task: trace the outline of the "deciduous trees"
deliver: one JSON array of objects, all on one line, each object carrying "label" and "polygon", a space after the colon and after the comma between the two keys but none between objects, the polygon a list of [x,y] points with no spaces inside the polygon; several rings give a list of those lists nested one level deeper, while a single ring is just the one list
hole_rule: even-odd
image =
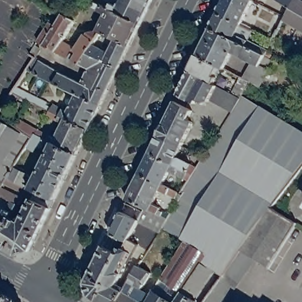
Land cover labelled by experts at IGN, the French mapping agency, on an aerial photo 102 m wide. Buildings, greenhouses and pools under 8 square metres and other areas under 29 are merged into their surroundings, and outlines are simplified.
[{"label": "deciduous trees", "polygon": [[195,156],[193,162],[205,162],[210,157],[210,147],[216,144],[218,138],[215,132],[202,130],[202,138],[199,139],[202,142],[201,147],[196,147],[192,142],[188,143],[182,146],[186,156]]},{"label": "deciduous trees", "polygon": [[122,189],[127,177],[117,166],[111,166],[103,172],[104,188]]},{"label": "deciduous trees", "polygon": [[193,28],[190,21],[185,20],[172,24],[172,39],[177,45],[190,45],[197,37],[197,29]]},{"label": "deciduous trees", "polygon": [[296,54],[288,60],[277,58],[277,53],[284,53],[290,47],[289,44],[283,44],[282,40],[267,38],[261,33],[250,31],[252,44],[268,47],[269,59],[269,63],[273,65],[262,71],[268,80],[267,83],[260,87],[248,84],[243,97],[287,124],[302,123],[302,55]]},{"label": "deciduous trees", "polygon": [[0,109],[0,123],[8,127],[22,122],[31,103],[24,99],[17,99],[18,103],[8,104]]},{"label": "deciduous trees", "polygon": [[28,0],[42,14],[41,21],[50,22],[51,14],[57,15],[73,20],[80,11],[92,11],[93,0]]},{"label": "deciduous trees", "polygon": [[80,287],[80,277],[77,271],[58,274],[59,295],[71,302],[79,302],[83,290]]},{"label": "deciduous trees", "polygon": [[147,78],[147,81],[150,93],[163,97],[171,91],[172,75],[159,68]]},{"label": "deciduous trees", "polygon": [[139,45],[145,51],[155,51],[158,45],[157,35],[143,34],[139,37]]},{"label": "deciduous trees", "polygon": [[91,124],[83,136],[84,147],[87,151],[92,151],[93,155],[98,155],[106,150],[109,143],[109,133]]},{"label": "deciduous trees", "polygon": [[131,146],[139,147],[146,142],[147,132],[144,127],[131,123],[124,130],[124,138]]},{"label": "deciduous trees", "polygon": [[116,90],[127,98],[131,98],[139,87],[139,78],[134,75],[126,71],[120,75],[116,74],[114,84]]}]

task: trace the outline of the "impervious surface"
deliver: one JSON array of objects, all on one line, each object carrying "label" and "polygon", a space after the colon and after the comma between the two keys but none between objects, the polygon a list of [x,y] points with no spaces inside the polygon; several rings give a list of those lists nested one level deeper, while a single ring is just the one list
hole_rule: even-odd
[{"label": "impervious surface", "polygon": [[189,183],[192,175],[188,173],[188,168],[183,168],[182,171],[175,170],[169,173],[165,180]]},{"label": "impervious surface", "polygon": [[[110,238],[107,237],[107,226],[112,224],[114,214],[122,211],[124,191],[138,168],[147,145],[151,142],[153,131],[156,130],[169,101],[175,101],[191,111],[192,130],[186,138],[188,143],[192,142],[196,147],[201,147],[202,142],[199,139],[202,138],[202,130],[215,132],[218,138],[221,137],[219,132],[229,119],[230,113],[211,101],[206,106],[201,106],[193,100],[188,104],[185,100],[173,96],[173,91],[218,0],[152,0],[143,24],[138,29],[138,35],[132,41],[125,61],[120,64],[116,74],[120,75],[126,71],[134,75],[139,78],[139,87],[131,98],[127,98],[116,90],[114,84],[91,124],[109,133],[109,143],[106,150],[98,155],[93,155],[92,151],[87,151],[84,147],[75,158],[50,214],[29,250],[31,256],[25,256],[24,252],[14,255],[12,248],[0,247],[0,302],[71,302],[59,295],[58,274],[77,271],[80,277],[83,276],[94,250],[103,247]],[[177,45],[172,39],[172,24],[185,20],[190,21],[193,28],[197,29],[197,37],[190,45]],[[155,51],[145,51],[139,45],[139,37],[143,34],[157,35],[158,45]],[[172,75],[171,91],[163,97],[150,93],[147,81],[147,78],[159,68]],[[144,127],[147,132],[146,142],[139,147],[131,146],[124,138],[124,130],[131,123]],[[111,166],[117,166],[127,177],[122,189],[104,188],[103,172]]]},{"label": "impervious surface", "polygon": [[273,267],[267,269],[267,265],[257,262],[250,265],[237,282],[237,289],[230,289],[222,302],[302,302],[302,191],[290,199],[289,211],[297,218],[296,228]]},{"label": "impervious surface", "polygon": [[71,96],[65,96],[63,88],[50,84],[39,99],[45,101],[47,106],[57,106],[57,114],[61,109],[65,109]]},{"label": "impervious surface", "polygon": [[132,268],[142,268],[139,260],[144,258],[157,234],[138,224],[129,238],[129,242],[138,247],[134,251],[134,258],[127,258],[123,276],[112,287],[119,291]]},{"label": "impervious surface", "polygon": [[236,34],[231,35],[229,40],[269,59],[268,47],[252,44],[250,31],[261,33],[267,38],[282,40],[285,26],[282,18],[285,8],[275,0],[249,0],[237,21]]},{"label": "impervious surface", "polygon": [[168,210],[165,208],[168,208],[171,202],[171,189],[168,188],[164,193],[156,191],[153,195],[156,201],[152,202],[152,205],[157,206],[163,217],[168,216]]},{"label": "impervious surface", "polygon": [[152,291],[166,302],[171,302],[172,296],[166,293],[163,287],[149,280],[142,288],[144,293]]},{"label": "impervious surface", "polygon": [[8,104],[18,103],[17,99],[24,99],[14,97],[9,92],[15,87],[31,93],[42,86],[38,75],[28,71],[35,59],[74,80],[80,80],[83,74],[84,68],[72,64],[68,57],[61,57],[57,53],[52,55],[52,48],[31,48],[27,44],[27,39],[37,38],[41,31],[47,32],[57,15],[51,14],[50,22],[41,21],[42,14],[28,0],[0,0],[0,109]]},{"label": "impervious surface", "polygon": [[92,11],[80,11],[73,20],[78,27],[70,38],[64,41],[73,46],[81,34],[92,31],[96,26],[99,14],[94,11],[96,6],[112,5],[117,0],[93,0]]}]

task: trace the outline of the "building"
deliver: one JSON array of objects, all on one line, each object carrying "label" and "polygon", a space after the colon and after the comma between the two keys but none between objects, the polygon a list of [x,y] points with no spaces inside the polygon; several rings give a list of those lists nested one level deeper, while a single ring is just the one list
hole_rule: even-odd
[{"label": "building", "polygon": [[285,26],[289,25],[302,32],[302,0],[275,0],[285,8],[282,18]]},{"label": "building", "polygon": [[[103,247],[94,250],[83,276],[80,277],[80,287],[83,290],[79,302],[166,302],[152,291],[144,293],[142,288],[149,280],[163,287],[166,293],[172,296],[171,302],[222,302],[230,289],[237,289],[237,282],[250,265],[257,262],[267,265],[267,269],[273,267],[296,228],[297,218],[289,211],[290,199],[302,191],[302,123],[287,124],[243,97],[248,84],[260,87],[267,83],[268,80],[262,71],[273,65],[269,63],[269,59],[229,40],[231,35],[236,34],[237,21],[249,0],[218,0],[173,91],[173,96],[185,100],[188,104],[193,100],[201,106],[206,106],[211,101],[230,113],[229,119],[219,132],[221,137],[218,138],[216,144],[210,147],[210,157],[205,162],[193,162],[195,156],[186,156],[182,146],[188,143],[186,138],[192,130],[191,111],[175,101],[169,101],[156,130],[153,131],[151,142],[147,145],[138,168],[124,191],[122,211],[114,214],[112,224],[107,226],[107,237],[110,238]],[[169,173],[175,170],[182,171],[183,168],[188,168],[188,173],[192,175],[189,183],[165,180]],[[165,208],[168,210],[168,216],[163,217],[157,206],[152,205],[152,202],[156,201],[153,195],[156,191],[164,193],[168,188],[171,189],[171,202],[168,208]],[[134,258],[134,251],[138,247],[129,242],[129,238],[138,224],[157,234],[162,229],[170,232],[172,247],[177,249],[175,255],[163,271],[155,269],[149,274],[142,268],[132,268],[119,291],[112,287],[123,276],[127,258]]]},{"label": "building", "polygon": [[[22,122],[8,127],[0,123],[0,247],[12,248],[14,255],[24,252],[25,256],[31,256],[29,250],[50,214],[75,158],[84,147],[83,136],[91,124],[114,84],[116,74],[120,64],[125,61],[132,41],[138,35],[138,29],[143,24],[152,0],[117,0],[112,5],[96,6],[94,11],[99,14],[96,26],[92,31],[81,34],[73,46],[64,41],[70,38],[78,27],[73,20],[57,15],[47,32],[41,31],[37,38],[27,39],[27,44],[31,48],[52,48],[52,55],[57,53],[61,57],[68,57],[72,64],[84,68],[83,74],[80,80],[74,80],[35,59],[28,71],[38,75],[42,86],[31,93],[15,87],[9,92],[14,97],[24,99],[31,103],[54,114],[52,122],[57,123],[53,132],[54,139],[51,143],[45,144],[31,175],[25,180],[24,172],[15,169],[15,165],[19,164],[25,152],[34,151],[40,142],[41,131]],[[65,109],[61,109],[57,114],[57,106],[47,106],[45,101],[39,99],[50,84],[63,88],[65,96],[71,96]]]}]

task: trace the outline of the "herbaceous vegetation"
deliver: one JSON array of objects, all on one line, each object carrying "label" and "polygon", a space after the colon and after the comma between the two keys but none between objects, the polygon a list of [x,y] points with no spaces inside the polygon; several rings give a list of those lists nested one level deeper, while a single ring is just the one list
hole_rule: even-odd
[{"label": "herbaceous vegetation", "polygon": [[277,53],[277,58],[288,60],[296,54],[302,55],[302,32],[289,25],[285,26],[282,40],[283,44],[289,44],[290,47],[284,53]]},{"label": "herbaceous vegetation", "polygon": [[15,165],[15,169],[24,172],[25,180],[31,175],[45,144],[51,143],[54,139],[53,132],[57,123],[52,122],[54,114],[31,103],[22,122],[41,131],[40,142],[34,151],[25,152],[19,164]]},{"label": "herbaceous vegetation", "polygon": [[175,255],[177,249],[172,247],[170,232],[162,229],[157,234],[144,258],[139,260],[142,268],[149,274],[155,269],[163,271]]}]

